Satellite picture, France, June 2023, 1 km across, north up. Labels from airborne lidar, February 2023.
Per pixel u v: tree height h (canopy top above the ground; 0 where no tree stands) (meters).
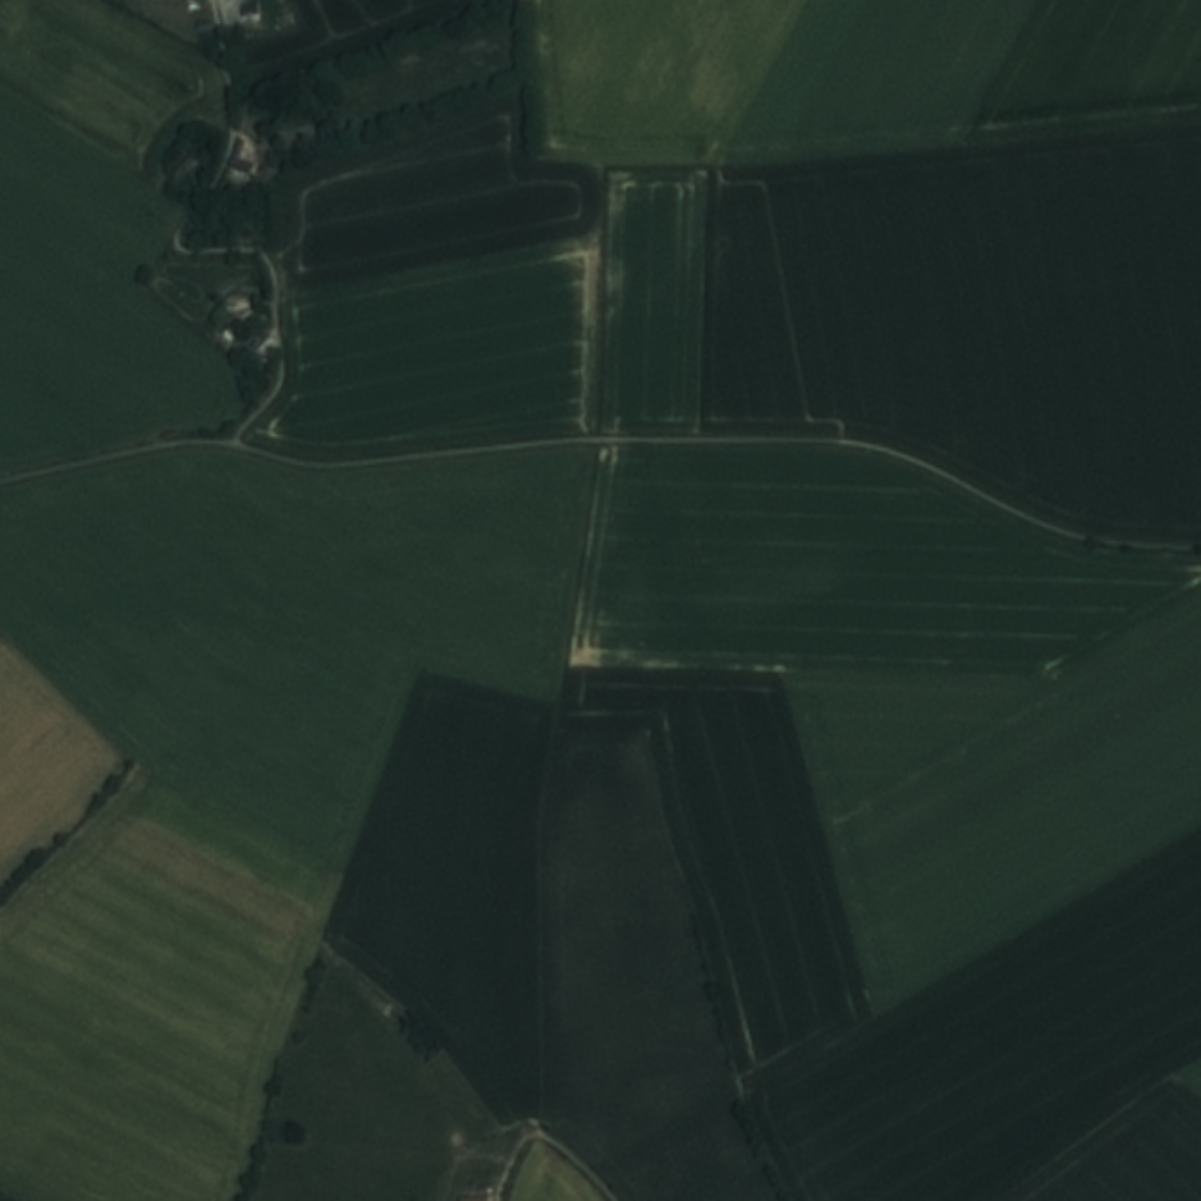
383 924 0
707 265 0
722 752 0
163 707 0
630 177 0
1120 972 0
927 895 0
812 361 0
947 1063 0
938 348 0
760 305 0
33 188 0
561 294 0
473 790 0
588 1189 0
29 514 0
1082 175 0
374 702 0
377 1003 0
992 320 0
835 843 0
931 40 0
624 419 0
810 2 0
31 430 0
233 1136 0
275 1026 0
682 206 0
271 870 0
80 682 0
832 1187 0
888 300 0
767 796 0
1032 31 0
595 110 0
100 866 0
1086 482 0
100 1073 0
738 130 0
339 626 0
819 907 0
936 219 0
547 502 0
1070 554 0
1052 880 0
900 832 0
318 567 0
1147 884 0
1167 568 0
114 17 0
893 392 0
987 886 0
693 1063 0
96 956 0
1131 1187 0
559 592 0
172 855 0
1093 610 0
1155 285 0
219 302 14
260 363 14
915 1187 0
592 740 0
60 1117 0
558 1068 0
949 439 0
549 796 0
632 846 0
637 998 0
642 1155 0
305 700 0
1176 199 0
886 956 0
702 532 0
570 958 0
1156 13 0
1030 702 0
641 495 0
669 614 0
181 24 0
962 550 0
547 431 0
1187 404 0
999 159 0
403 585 0
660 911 0
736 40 0
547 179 0
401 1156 0
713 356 0
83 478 0
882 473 0
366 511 0
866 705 0
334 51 0
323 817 0
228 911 0
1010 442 0
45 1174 0
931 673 0
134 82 0
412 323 0
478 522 0
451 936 0
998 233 0
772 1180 11
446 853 0
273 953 0
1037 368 0
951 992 0
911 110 0
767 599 0
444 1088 0
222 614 0
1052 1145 0
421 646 0
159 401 0
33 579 0
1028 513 0
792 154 0
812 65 0
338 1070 0
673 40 0
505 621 0
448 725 0
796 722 0
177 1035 0
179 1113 0
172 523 0
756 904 0
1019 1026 0
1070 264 0
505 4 16
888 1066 0
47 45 0
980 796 0
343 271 0
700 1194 0
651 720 0
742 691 0
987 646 0
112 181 0
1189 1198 0
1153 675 0
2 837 0
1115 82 0
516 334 0
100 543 0
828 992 0
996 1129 0
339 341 0
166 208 0
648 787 0
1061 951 0
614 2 0
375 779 0
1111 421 0
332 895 0
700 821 0
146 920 0
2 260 0
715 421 0
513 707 0
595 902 0
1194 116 0
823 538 0
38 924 0
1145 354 0
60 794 0
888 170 0
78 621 0
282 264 0
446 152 0
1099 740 0
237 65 15
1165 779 0
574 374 0
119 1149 0
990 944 0
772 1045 0
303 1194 0
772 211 0
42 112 0
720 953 0
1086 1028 0
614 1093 0
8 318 0
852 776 0
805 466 0
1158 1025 0
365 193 0
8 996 0
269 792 0
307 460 0
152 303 0
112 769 0
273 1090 12
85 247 0
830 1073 0
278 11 0
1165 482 0
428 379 0
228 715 0
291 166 13
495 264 0
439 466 0
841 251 0
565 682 0
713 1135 0
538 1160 0
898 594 0
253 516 0
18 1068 0
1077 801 0
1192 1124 0
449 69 0
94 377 0
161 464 0
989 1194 0
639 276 0
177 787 0
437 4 0
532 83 15
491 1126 0
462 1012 0
